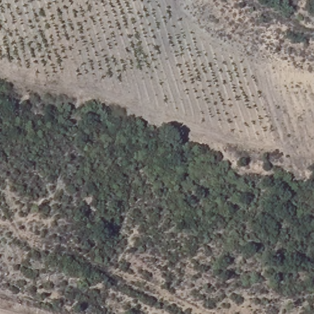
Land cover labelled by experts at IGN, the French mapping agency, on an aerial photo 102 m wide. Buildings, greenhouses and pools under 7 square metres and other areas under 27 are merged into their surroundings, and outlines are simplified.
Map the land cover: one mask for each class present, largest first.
<instances>
[{"label":"brushwood","instance_id":"1","mask_svg":"<svg viewBox=\"0 0 314 314\"><path fill-rule=\"evenodd\" d=\"M249 6L251 10H259L261 13L250 18L253 25L270 27L281 22L287 26V37L293 43L309 45V40H314V0H242L239 7ZM29 98L23 101L12 82L0 78V220L12 221L15 213L26 217L32 212H39V216L44 218H54L47 229L36 231V234L42 237L45 250L29 247L25 240L18 238L13 239L9 245H17L21 250L27 251V258L13 266V269L21 271L32 280H38L40 274L54 275L58 272H66L71 277H83L82 281H77V288L70 286L63 276L58 278V282L47 281L40 286L31 287L29 293L33 296V307L55 314H314V164L309 167L312 175L309 179H296L293 172H286L283 167L271 163L274 159L282 157V152L275 150L264 153L262 161L264 169L274 170V174H238L237 170L232 168V163L223 158L220 151L190 140L184 144L172 123L150 125L142 117L129 115L126 108L119 104H105L97 99H91L76 107V98L65 93L47 92L39 96L37 92L29 90Z\"/></svg>","mask_w":314,"mask_h":314},{"label":"vineyard","instance_id":"2","mask_svg":"<svg viewBox=\"0 0 314 314\"><path fill-rule=\"evenodd\" d=\"M242 0H0V78L12 82L23 101L29 98V90L37 92L39 96L47 92L65 93L76 98V107L91 99H97L105 104H119L126 108L129 115L142 117L150 125L172 123L184 144L190 140L220 151L223 158L232 163V168L237 170L238 174H274V170L264 169L262 161L264 153L275 150L282 152V157L274 159L271 163L283 167L286 172H293L296 179H309L312 175L309 167L314 164V40H309V45L293 43L287 37V26L281 22L270 27L253 25L250 18L261 13L259 10H251L249 6L239 7ZM54 218H44L39 216V212H32L26 217L15 213L12 221L0 220V314H55L33 307V296L29 293L31 287L40 286L47 281L58 282V278L63 276L70 286L77 288V281H82L83 277H71L66 272H58L54 275L40 274L38 280H32L21 271L13 269V266L27 258V251L21 250L17 245H9L13 239L18 238L25 240L29 247L45 250L42 237L36 234V231L47 229Z\"/></svg>","mask_w":314,"mask_h":314}]
</instances>
